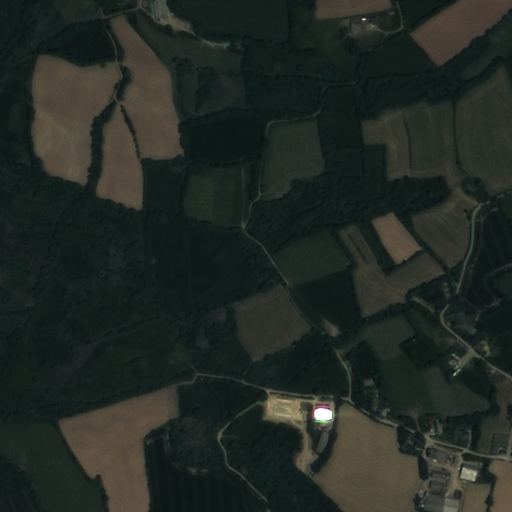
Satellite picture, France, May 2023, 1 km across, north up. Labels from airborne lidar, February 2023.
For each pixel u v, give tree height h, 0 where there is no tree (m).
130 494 0
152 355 0
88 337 0
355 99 10
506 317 0
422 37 0
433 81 9
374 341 0
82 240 0
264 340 0
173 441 15
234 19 0
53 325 0
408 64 0
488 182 0
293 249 0
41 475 0
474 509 0
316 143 0
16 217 0
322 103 11
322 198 8
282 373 0
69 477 0
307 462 0
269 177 0
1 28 0
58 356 0
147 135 0
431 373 0
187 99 0
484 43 11
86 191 17
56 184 7
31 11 8
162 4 0
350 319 0
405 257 0
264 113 9
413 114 0
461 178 0
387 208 7
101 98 0
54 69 0
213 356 0
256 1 0
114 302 0
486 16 0
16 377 0
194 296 0
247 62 14
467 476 0
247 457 10
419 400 0
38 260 0
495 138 0
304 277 0
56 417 11
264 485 8
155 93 0
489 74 12
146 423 0
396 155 0
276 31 0
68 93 0
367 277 0
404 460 0
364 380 0
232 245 0
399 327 0
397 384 0
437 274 0
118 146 0
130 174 0
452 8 0
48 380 0
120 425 0
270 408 0
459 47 0
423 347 0
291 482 18
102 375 0
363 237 0
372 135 0
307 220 25
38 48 11
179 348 0
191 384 0
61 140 0
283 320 0
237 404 0
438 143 0
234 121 0
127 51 0
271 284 7
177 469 0
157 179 0
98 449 0
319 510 20
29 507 0
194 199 0
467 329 0
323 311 0
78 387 0
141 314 0
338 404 13
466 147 0
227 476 0
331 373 0
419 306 7
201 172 10
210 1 0
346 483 0
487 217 0
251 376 8
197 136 0
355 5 0
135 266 10
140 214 12
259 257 9
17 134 0
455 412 0
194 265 0
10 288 0
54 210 0
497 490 0
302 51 9
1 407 0
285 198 12
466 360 0
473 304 0
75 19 0
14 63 9
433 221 0
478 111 0
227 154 0
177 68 6
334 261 0
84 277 8
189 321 10
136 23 0
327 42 0
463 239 0
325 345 9
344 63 0
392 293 0
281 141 0
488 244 0
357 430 0
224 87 0
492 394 10
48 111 0
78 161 0
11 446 0
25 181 6
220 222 0
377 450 0
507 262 0
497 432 0
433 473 0
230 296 0
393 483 0
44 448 0
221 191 0
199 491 0
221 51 0
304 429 0
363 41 0
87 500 0
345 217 10
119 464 0
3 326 0
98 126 15
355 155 0
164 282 0
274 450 7
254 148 0
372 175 0
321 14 0
